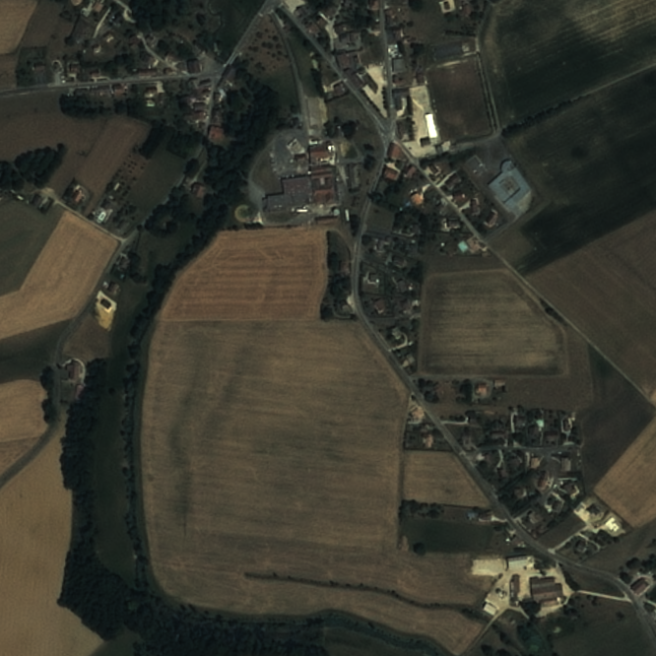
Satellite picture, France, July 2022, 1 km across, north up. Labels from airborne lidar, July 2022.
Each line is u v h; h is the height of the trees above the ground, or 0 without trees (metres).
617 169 0
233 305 0
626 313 0
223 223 20
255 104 13
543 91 0
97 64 6
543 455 0
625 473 0
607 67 0
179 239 0
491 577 0
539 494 14
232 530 0
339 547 0
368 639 0
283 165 0
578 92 0
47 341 0
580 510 0
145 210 0
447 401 0
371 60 0
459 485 0
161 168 0
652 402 0
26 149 0
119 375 0
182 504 0
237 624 18
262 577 0
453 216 0
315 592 0
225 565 0
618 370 0
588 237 0
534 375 0
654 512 0
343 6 8
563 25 0
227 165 22
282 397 0
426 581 0
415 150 0
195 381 0
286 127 10
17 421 0
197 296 0
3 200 0
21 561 0
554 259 0
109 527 0
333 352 0
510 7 0
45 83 0
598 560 0
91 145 0
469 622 0
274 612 0
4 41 0
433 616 0
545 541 0
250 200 0
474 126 0
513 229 0
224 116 6
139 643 0
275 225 0
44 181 20
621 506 0
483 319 0
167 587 0
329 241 7
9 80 0
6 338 0
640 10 0
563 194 0
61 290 0
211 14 0
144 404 0
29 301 0
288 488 0
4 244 0
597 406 0
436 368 0
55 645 0
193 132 6
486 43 0
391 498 0
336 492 0
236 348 0
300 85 0
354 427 0
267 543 0
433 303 0
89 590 12
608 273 0
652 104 0
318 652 27
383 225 0
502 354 0
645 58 0
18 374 0
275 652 18
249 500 0
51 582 0
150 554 0
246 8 0
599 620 0
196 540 0
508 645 13
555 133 0
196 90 0
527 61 0
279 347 0
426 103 0
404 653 0
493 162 0
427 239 6
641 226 0
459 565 0
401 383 0
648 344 0
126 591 25
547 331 0
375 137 0
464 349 0
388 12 0
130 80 0
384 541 0
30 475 0
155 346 0
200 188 0
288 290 0
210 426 0
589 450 0
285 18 6
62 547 0
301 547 0
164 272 21
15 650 0
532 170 0
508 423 5
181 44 8
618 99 0
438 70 0
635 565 14
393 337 10
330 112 0
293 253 0
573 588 12
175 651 27
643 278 0
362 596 0
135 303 0
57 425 0
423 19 0
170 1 21
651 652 0
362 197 0
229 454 0
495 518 0
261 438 0
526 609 16
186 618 16
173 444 0
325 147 0
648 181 0
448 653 0
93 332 0
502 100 0
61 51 0
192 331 0
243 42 0
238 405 0
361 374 0
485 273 0
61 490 0
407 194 0
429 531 0
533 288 0
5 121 0
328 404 0
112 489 0
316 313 0
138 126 0
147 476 0
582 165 0
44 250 0
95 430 25
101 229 0
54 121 0
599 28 0
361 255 0
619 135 0
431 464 0
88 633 0
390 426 0
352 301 0
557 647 0
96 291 0
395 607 0
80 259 0
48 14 0
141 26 24
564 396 0
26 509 0
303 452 0
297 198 0
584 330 0
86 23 0
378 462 0
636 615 0
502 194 0
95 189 0
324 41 8
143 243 0
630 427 0
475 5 9
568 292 0
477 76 0
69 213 0
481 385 0
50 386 20
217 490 0
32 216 0
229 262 0
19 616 0
